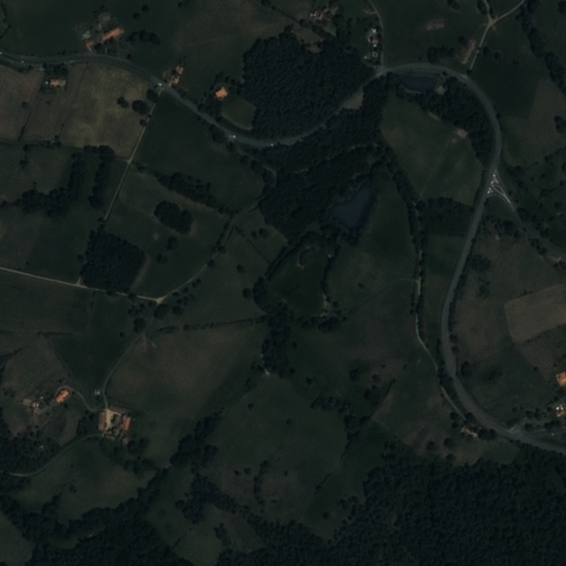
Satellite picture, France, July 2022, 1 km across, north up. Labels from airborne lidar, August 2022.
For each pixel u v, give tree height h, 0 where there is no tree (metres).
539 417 15
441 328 0
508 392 0
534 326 0
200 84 0
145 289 0
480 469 7
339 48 13
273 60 25
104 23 0
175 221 18
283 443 0
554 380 0
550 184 0
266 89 20
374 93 21
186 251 0
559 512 17
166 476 21
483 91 0
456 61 0
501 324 0
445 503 20
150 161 0
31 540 8
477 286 0
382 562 9
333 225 6
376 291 0
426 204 18
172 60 0
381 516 14
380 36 13
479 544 15
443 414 0
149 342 0
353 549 17
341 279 0
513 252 0
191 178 9
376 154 10
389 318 0
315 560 13
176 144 0
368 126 22
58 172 0
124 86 0
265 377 0
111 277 15
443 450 0
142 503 15
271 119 23
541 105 0
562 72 19
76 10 0
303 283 0
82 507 0
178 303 9
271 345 27
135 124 0
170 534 0
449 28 0
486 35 0
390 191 0
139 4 0
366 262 0
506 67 0
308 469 0
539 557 12
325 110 14
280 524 12
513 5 0
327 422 0
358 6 0
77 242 0
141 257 19
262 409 0
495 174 0
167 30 0
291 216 16
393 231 0
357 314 0
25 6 0
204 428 17
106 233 15
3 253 0
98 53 7
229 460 0
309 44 8
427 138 0
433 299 0
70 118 0
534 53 13
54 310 0
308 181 8
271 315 18
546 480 7
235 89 7
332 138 16
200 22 0
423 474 6
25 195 14
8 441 11
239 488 0
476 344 0
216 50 0
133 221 0
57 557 18
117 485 0
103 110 0
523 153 0
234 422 0
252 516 9
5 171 0
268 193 12
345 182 17
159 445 0
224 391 0
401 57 0
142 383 0
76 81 0
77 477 0
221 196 0
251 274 0
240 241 0
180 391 0
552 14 0
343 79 21
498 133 0
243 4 0
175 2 0
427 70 0
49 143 8
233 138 0
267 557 17
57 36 0
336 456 0
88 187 0
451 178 0
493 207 0
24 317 0
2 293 0
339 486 0
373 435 0
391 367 0
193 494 6
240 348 0
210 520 0
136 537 15
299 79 21
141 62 0
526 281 0
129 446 14
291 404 0
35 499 0
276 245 0
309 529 6
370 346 0
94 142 0
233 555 15
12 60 0
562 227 0
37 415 0
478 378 0
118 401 0
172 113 0
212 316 0
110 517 25
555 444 0
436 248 0
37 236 0
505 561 17
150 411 0
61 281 0
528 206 0
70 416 0
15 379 0
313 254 8
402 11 0
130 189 0
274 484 0
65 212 18
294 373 13
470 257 6
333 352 0
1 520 0
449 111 12
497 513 18
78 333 0
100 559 19
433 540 21
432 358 0
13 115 0
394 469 14
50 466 0
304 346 0
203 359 0
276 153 18
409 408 0
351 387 0
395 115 0
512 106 0
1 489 16
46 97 0
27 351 0
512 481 7
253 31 0
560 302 0
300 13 0
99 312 0
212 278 0
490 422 0
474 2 0
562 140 0
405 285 0
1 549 0
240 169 0
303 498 0
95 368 0
